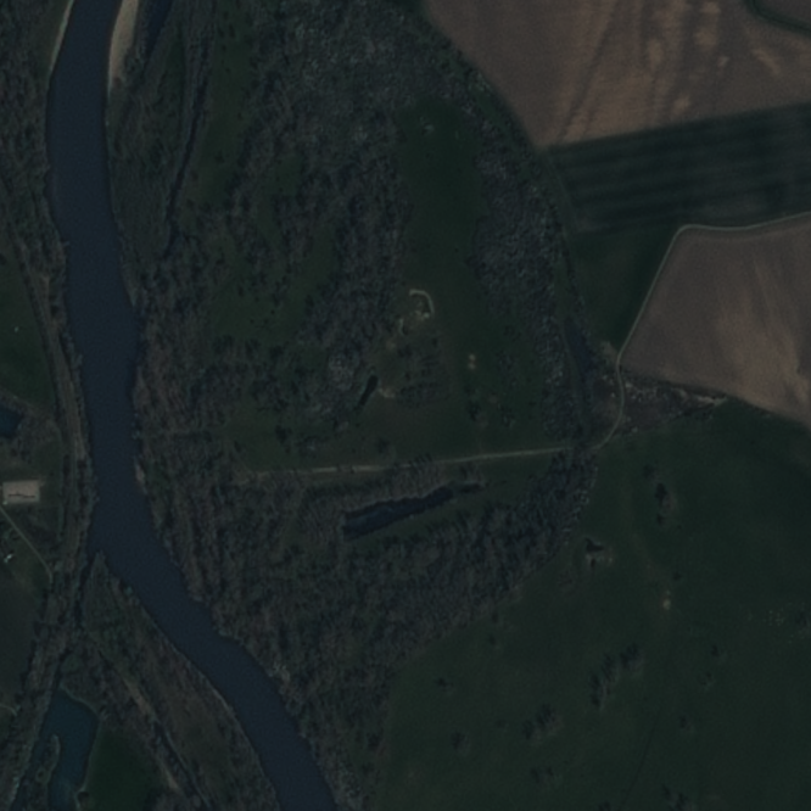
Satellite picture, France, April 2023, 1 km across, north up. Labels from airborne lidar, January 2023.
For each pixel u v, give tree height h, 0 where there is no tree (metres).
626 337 0
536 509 6
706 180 0
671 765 0
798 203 0
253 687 0
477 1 0
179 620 0
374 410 0
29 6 27
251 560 27
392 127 25
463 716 0
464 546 6
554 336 6
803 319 0
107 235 0
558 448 0
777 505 0
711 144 0
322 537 25
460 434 0
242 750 23
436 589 20
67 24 0
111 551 0
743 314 0
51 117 0
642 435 0
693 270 0
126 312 0
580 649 0
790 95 0
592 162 0
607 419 0
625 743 0
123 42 0
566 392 6
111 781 0
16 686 0
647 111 0
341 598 19
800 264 0
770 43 0
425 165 0
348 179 14
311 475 0
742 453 0
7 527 6
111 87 0
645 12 0
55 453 0
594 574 0
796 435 0
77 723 0
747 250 0
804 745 0
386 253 26
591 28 0
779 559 0
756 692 0
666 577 0
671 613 0
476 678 0
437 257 0
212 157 0
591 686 0
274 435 0
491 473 0
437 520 0
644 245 0
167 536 14
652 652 0
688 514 0
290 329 0
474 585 25
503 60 0
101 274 0
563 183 0
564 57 0
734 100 0
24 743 8
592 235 0
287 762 0
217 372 12
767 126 0
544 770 0
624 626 0
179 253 16
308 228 22
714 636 0
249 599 23
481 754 0
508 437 0
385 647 25
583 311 9
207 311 10
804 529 0
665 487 0
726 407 0
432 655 0
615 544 0
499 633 0
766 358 0
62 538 6
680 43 0
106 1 0
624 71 0
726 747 0
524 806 0
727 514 0
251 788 6
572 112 0
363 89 8
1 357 0
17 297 0
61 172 0
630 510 0
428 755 0
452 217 0
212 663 0
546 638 0
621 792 0
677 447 0
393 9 8
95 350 0
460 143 0
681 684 0
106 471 0
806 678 0
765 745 0
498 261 9
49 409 0
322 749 19
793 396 0
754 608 0
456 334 0
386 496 22
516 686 0
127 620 11
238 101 0
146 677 21
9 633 0
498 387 0
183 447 20
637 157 0
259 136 18
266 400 25
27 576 0
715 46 0
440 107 0
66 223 0
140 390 23
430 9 0
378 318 5
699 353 0
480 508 0
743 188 0
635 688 0
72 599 14
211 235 22
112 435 0
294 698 12
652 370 0
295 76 6
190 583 21
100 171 0
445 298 0
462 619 25
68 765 0
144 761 0
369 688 11
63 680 10
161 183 17
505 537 7
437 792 0
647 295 0
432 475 24
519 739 0
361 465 0
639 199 0
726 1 0
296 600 16
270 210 0
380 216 22
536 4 0
